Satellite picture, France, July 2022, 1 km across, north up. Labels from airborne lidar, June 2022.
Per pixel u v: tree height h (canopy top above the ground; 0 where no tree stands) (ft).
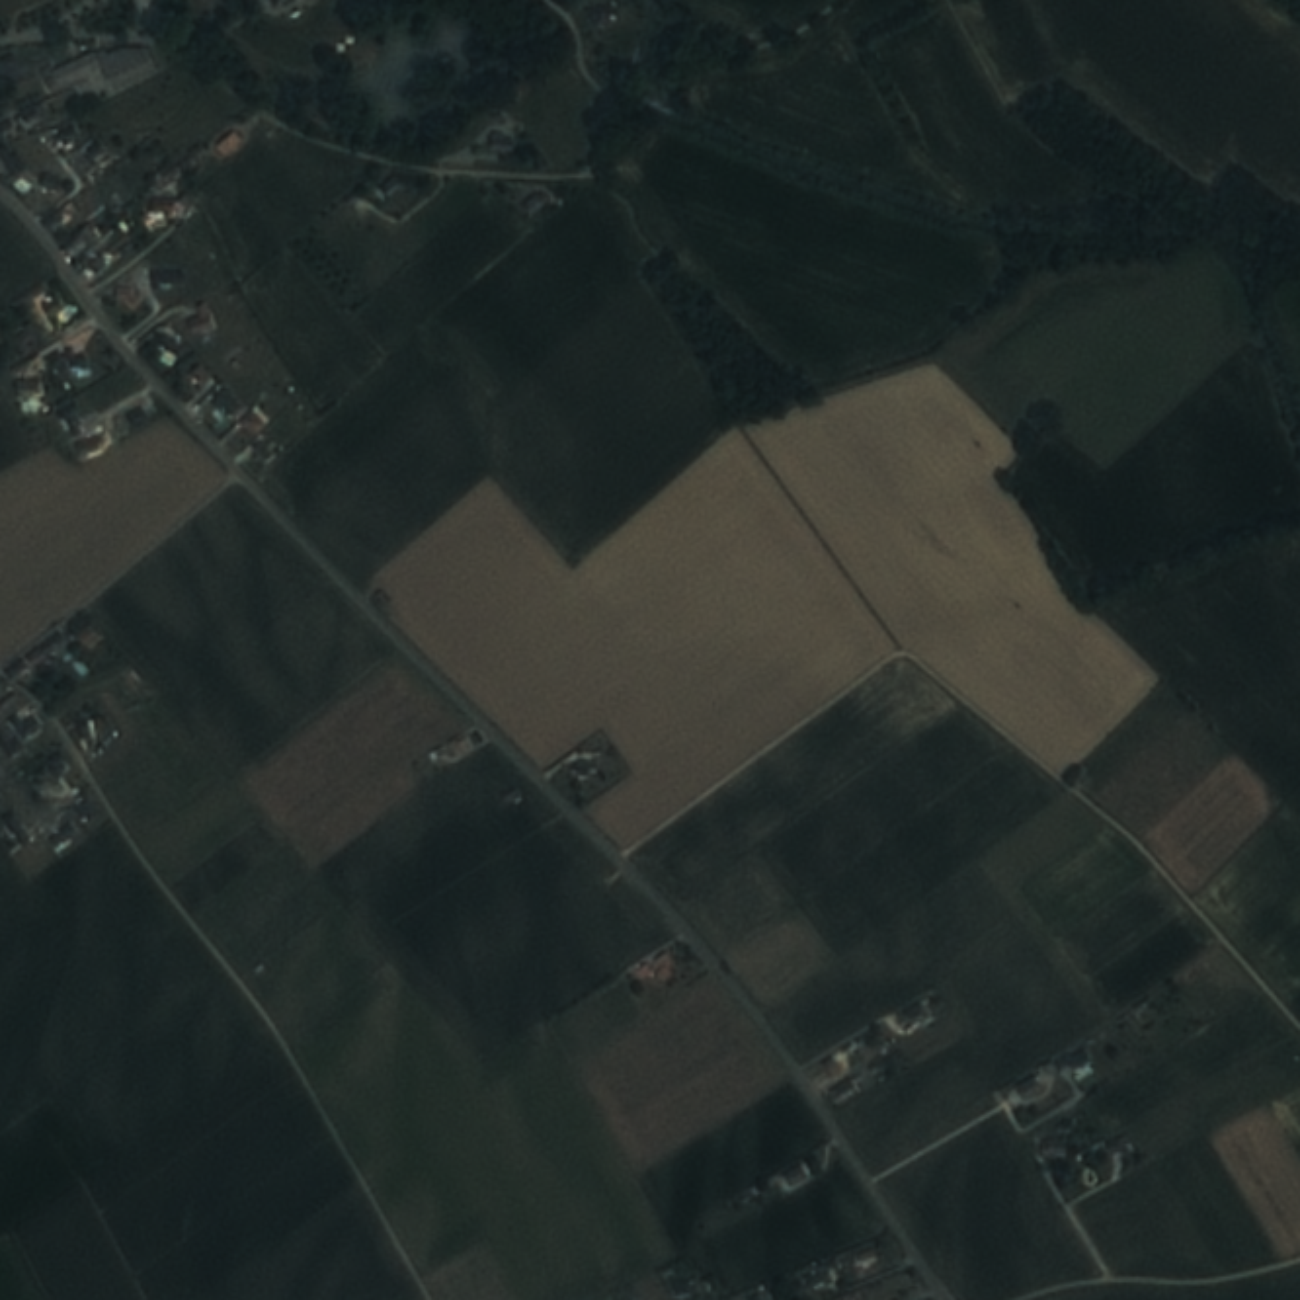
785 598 0
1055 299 0
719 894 0
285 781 0
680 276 80
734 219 0
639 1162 0
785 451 0
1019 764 0
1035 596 0
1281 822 0
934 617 0
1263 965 0
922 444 0
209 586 0
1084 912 0
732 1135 0
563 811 0
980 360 0
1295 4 37
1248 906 0
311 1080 0
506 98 95
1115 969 0
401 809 0
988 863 0
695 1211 0
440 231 0
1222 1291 0
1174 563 42
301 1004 0
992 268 0
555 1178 0
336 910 0
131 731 0
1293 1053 0
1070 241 44
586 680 0
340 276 24
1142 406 0
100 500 0
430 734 0
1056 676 0
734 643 0
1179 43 0
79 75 0
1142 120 0
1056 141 64
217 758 0
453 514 0
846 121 0
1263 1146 0
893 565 0
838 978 0
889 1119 0
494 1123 0
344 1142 0
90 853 0
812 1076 0
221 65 47
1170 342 0
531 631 0
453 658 0
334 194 0
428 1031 0
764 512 0
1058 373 0
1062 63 0
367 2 88
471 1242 0
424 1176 0
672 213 0
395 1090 0
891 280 0
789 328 0
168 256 0
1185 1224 0
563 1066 0
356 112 89
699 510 0
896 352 0
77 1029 0
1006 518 0
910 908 0
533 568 0
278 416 0
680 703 0
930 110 0
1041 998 0
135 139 0
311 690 0
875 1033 25
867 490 0
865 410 0
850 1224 0
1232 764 0
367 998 0
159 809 0
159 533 0
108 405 0
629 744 0
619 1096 0
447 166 0
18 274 0
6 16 0
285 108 52
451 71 74
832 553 0
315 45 0
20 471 0
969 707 0
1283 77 0
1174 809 0
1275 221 77
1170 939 0
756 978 0
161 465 0
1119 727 0
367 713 0
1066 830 0
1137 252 56
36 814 0
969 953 0
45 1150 0
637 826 0
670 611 0
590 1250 0
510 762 0
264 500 0
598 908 0
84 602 0
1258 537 50
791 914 0
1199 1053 0
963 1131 0
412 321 0
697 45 95
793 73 0
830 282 0
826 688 0
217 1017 0
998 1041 0
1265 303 99
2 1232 0
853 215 0
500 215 0
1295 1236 0
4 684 24
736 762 0
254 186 0
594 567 0
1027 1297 0
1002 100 0
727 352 74
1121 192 51
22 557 0
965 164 0
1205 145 0
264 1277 0
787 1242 0
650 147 0
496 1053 0
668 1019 0
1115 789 0
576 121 0
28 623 0
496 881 0
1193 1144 0
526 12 53
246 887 0
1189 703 29
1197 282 0
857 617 0
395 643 0
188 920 0
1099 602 66
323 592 0
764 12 0
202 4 0
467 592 0
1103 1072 0
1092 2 0
